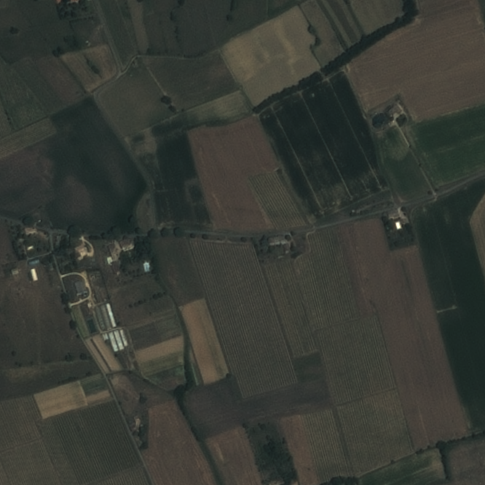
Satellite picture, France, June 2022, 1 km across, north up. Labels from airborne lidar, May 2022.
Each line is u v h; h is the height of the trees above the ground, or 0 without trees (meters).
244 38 0
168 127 0
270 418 0
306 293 0
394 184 0
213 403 0
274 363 0
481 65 0
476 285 0
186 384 8
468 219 0
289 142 0
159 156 0
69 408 0
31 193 0
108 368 0
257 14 0
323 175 0
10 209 0
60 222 0
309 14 0
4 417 0
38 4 0
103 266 0
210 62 0
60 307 0
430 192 7
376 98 0
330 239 0
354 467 0
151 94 0
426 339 0
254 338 0
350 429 0
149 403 0
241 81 0
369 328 0
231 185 0
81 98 0
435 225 0
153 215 0
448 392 0
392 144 0
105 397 0
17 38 0
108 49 0
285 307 0
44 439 0
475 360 0
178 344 0
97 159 0
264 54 0
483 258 0
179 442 0
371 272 0
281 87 0
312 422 0
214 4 0
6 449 0
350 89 0
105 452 0
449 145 0
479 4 0
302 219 0
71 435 0
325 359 0
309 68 0
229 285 0
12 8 0
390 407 0
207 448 0
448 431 0
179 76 0
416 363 0
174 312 0
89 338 0
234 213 0
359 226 0
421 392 0
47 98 0
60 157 0
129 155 0
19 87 0
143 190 0
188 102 0
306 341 0
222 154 0
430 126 0
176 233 15
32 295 0
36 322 0
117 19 0
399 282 0
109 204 0
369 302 0
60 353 0
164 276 0
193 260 0
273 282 0
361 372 0
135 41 0
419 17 0
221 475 0
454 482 0
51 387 0
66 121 0
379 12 0
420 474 0
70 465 0
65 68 0
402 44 0
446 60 0
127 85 0
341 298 0
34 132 0
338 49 0
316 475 0
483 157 0
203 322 0
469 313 0
